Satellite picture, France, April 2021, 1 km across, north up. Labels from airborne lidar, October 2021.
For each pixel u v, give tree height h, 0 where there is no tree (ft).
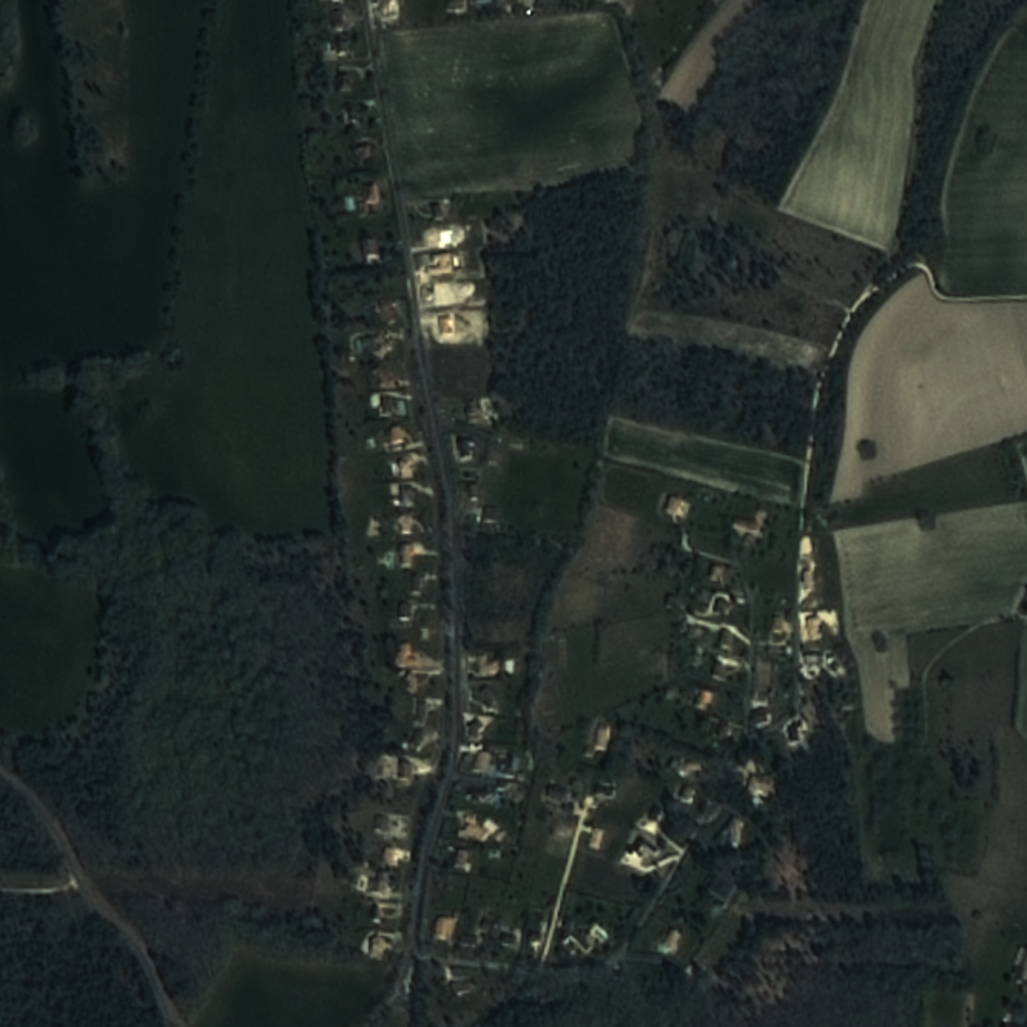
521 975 61
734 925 0
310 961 51
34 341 0
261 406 0
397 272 31
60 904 45
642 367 48
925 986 66
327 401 30
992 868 0
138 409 24
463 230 0
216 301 0
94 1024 31
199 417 0
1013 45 0
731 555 29
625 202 43
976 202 0
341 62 0
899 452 0
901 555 0
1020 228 0
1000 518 0
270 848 63
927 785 41
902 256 23
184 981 50
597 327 49
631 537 0
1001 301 0
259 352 0
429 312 0
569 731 24
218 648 42
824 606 0
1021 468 29
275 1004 0
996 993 0
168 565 68
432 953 37
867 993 60
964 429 0
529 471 0
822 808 24
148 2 0
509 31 0
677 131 57
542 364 40
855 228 0
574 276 45
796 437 46
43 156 0
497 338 21
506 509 0
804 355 0
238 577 71
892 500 0
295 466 0
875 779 38
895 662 0
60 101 0
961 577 0
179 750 71
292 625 54
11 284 0
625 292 54
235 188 0
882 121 0
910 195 31
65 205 0
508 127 0
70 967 31
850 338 32
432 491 0
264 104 0
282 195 0
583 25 0
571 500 0
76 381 58
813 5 53
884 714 0
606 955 22
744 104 60
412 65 0
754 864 32
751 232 0
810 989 49
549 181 0
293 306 0
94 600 0
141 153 0
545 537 19
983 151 26
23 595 0
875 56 0
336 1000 0
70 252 0
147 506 58
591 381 36
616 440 0
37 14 0
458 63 0
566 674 0
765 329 30
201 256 0
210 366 0
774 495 0
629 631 0
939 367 0
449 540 32
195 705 42
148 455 0
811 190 0
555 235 42
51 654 0
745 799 39
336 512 45
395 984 36
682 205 0
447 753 26
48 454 0
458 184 0
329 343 30
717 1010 41
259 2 0
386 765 0
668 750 51
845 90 0
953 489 0
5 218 0
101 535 73
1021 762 0
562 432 18
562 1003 38
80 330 0
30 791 55
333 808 38
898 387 0
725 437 40
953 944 55
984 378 0
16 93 0
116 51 0
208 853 52
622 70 0
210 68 22
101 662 53
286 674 50
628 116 0
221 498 0
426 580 0
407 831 0
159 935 59
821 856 30
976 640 0
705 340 0
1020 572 0
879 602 0
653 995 39
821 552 0
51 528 0
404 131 0
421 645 0
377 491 0
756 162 29
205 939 57
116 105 0
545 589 21
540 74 0
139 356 60
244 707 49
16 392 0
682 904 19
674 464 0
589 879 0
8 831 35
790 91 55
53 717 0
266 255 0
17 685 0
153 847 65
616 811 0
